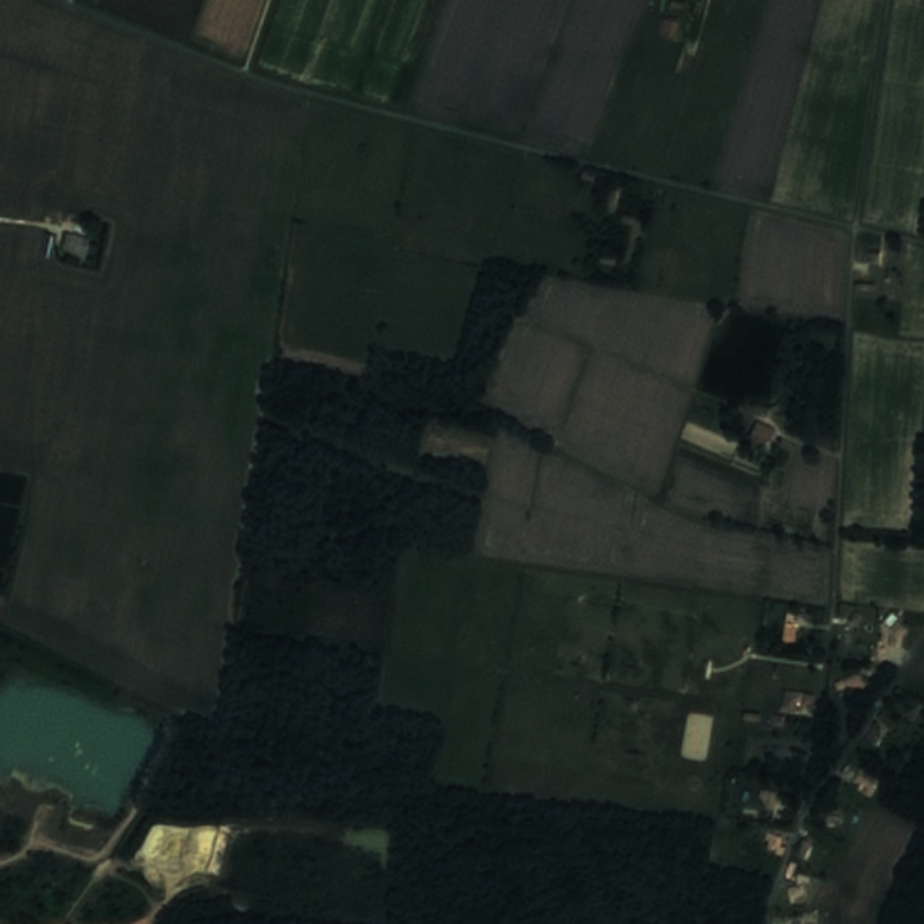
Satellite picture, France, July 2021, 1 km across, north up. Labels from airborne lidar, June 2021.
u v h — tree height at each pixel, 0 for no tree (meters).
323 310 0
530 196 0
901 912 18
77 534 0
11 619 0
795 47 0
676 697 0
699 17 0
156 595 0
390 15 0
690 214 0
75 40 0
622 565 0
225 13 0
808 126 0
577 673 0
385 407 26
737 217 0
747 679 0
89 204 0
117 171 0
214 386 0
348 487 24
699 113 0
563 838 15
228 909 8
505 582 0
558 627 0
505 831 10
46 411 0
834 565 0
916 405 0
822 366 12
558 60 0
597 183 9
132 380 0
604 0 0
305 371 16
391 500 19
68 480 0
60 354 0
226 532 0
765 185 0
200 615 0
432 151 0
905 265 0
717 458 0
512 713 0
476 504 19
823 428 16
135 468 0
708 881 12
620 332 0
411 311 0
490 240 0
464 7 0
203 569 0
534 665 0
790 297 0
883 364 0
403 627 0
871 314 0
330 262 0
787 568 0
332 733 20
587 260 6
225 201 0
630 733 0
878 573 0
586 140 0
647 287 0
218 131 0
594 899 8
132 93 0
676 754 0
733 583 0
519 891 10
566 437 0
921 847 12
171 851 0
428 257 0
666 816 14
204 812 8
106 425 0
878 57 0
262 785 25
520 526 0
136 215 0
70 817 0
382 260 0
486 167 0
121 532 0
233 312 0
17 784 0
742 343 0
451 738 0
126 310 0
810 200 0
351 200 0
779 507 0
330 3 0
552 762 0
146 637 0
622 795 0
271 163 0
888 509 0
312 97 0
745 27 0
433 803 11
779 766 14
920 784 16
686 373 0
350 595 0
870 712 13
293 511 29
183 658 0
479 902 17
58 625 0
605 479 0
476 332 20
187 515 0
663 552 0
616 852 8
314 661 27
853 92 0
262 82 0
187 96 0
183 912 10
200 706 0
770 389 7
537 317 0
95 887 0
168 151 0
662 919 9
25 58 0
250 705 22
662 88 0
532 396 0
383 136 0
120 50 0
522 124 0
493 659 0
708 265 0
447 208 0
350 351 0
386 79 0
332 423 25
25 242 0
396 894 13
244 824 0
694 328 0
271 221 0
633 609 0
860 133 0
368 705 24
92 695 0
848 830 0
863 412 0
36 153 0
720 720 0
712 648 0
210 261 0
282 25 0
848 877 0
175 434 0
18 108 0
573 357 0
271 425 17
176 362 0
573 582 0
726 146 0
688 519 0
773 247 0
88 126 0
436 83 0
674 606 0
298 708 26
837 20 0
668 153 0
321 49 0
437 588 0
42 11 0
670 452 0
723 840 0
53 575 0
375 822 12
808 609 9
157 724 0
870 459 0
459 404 7
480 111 0
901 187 0
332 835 0
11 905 0
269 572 23
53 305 0
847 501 0
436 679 0
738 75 0
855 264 0
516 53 0
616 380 0
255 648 14
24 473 0
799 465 0
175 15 0
